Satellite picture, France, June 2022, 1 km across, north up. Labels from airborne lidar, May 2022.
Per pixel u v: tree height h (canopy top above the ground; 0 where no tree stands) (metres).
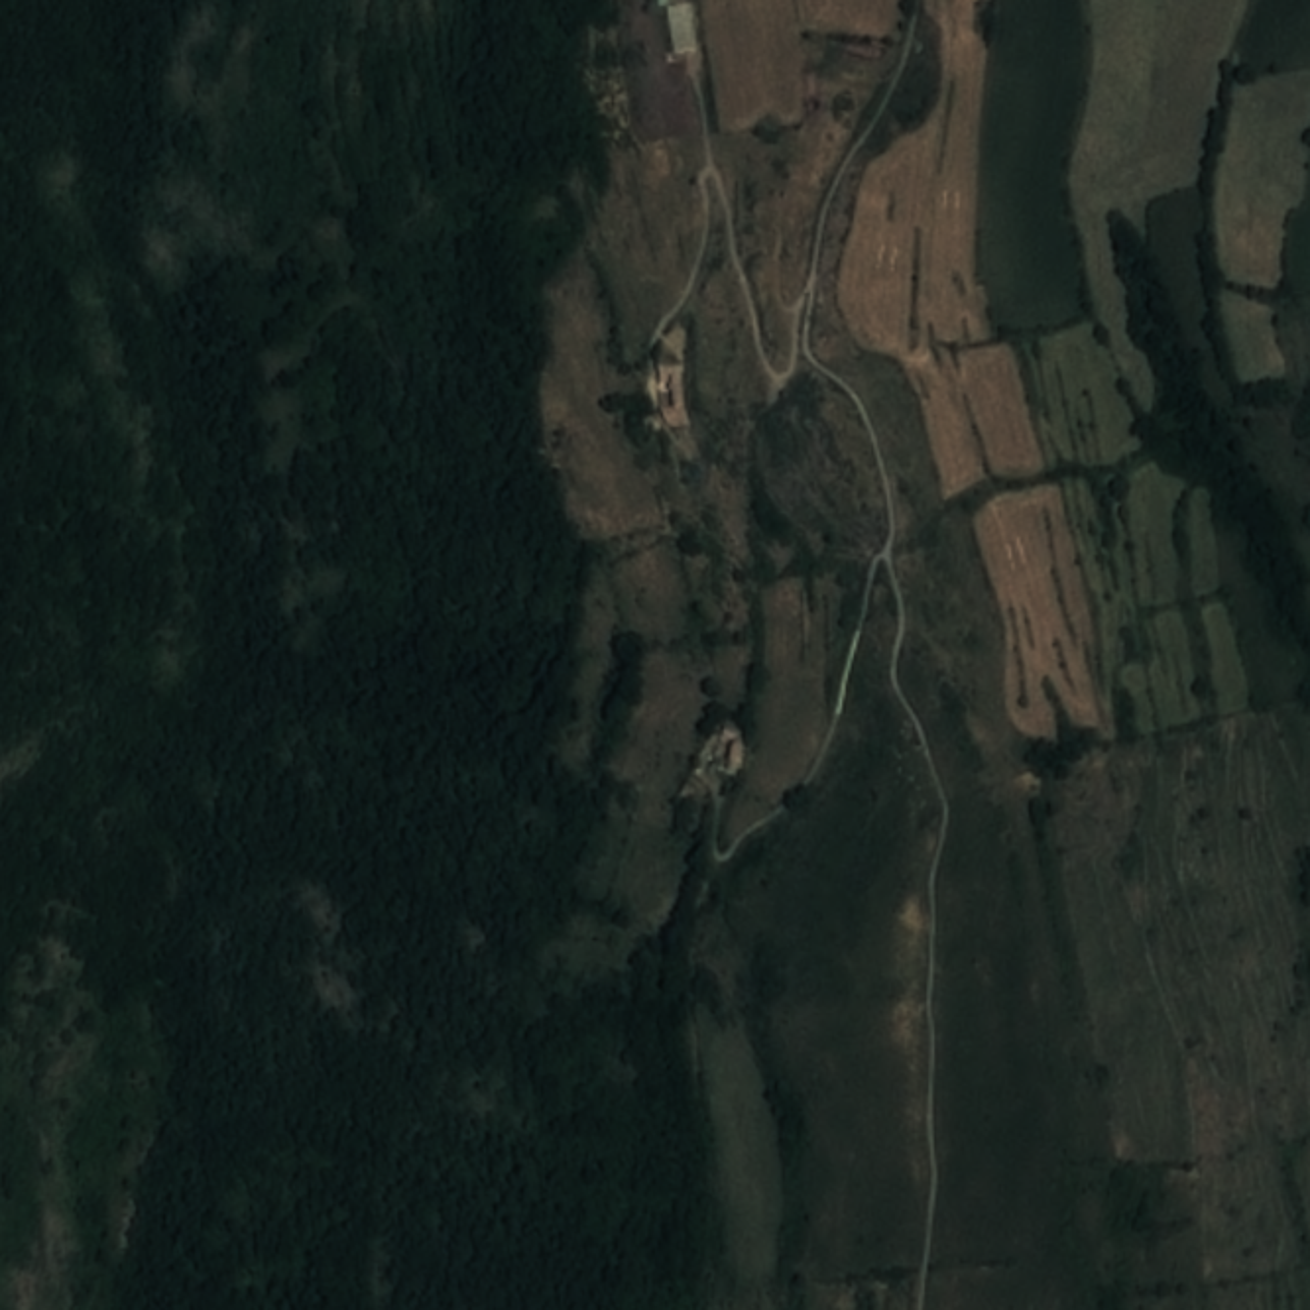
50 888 11
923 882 0
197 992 13
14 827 10
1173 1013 0
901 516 0
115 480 6
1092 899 0
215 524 12
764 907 0
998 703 0
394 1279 9
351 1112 9
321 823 12
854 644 0
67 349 8
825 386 0
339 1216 11
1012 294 0
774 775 0
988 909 0
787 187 0
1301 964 8
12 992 8
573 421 0
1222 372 7
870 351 0
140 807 7
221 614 14
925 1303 0
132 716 11
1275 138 0
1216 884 0
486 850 10
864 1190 0
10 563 13
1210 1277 0
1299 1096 0
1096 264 0
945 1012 0
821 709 0
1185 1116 0
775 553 0
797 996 0
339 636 11
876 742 0
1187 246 0
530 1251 6
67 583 7
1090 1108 0
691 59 0
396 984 10
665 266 0
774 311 0
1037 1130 0
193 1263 10
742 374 0
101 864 12
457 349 8
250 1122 12
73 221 8
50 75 14
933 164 0
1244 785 0
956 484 0
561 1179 14
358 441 11
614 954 0
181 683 9
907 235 0
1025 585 0
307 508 10
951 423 0
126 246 15
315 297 12
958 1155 0
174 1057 6
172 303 6
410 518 8
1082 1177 0
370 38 7
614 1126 7
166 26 10
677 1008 7
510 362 11
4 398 14
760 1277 0
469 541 12
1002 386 0
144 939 11
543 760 10
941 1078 0
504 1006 9
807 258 0
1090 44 0
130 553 11
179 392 15
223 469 9
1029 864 0
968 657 0
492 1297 10
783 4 0
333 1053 9
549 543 7
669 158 0
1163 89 0
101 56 10
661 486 0
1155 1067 0
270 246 9
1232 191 0
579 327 0
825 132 0
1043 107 0
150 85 11
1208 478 6
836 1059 0
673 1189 6
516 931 8
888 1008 0
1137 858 0
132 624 8
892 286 0
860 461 0
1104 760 0
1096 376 0
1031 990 0
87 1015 11
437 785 10
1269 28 0
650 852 0
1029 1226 0
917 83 0
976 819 0
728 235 0
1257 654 0
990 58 0
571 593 8
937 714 0
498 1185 8
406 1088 8
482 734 9
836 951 0
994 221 0
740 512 0
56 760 9
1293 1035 0
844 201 0
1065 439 0
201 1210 8
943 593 0
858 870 0
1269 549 19
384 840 10
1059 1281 0
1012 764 0
